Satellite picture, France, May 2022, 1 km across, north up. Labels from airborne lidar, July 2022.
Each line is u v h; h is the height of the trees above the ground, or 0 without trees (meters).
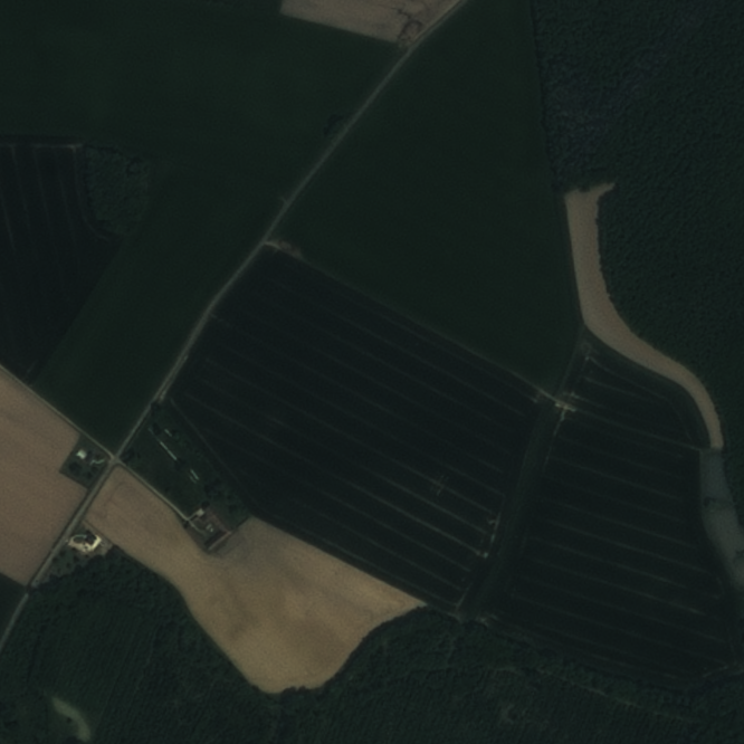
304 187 0
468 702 7
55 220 0
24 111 0
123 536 0
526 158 0
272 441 0
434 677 12
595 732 6
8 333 0
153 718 6
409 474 0
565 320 0
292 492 0
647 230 20
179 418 0
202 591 0
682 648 0
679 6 22
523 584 0
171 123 0
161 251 0
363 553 0
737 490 13
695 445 0
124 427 0
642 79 27
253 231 0
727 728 28
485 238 0
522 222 0
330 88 0
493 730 10
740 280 15
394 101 0
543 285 0
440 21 0
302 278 0
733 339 16
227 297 0
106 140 0
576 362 0
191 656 27
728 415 12
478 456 0
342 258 0
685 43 17
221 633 0
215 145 0
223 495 15
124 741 10
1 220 0
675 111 22
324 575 0
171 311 0
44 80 0
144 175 16
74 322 0
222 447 0
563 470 0
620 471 0
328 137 15
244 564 0
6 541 0
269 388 0
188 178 0
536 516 0
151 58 0
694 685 0
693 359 12
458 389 0
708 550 0
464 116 0
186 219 0
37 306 0
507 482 0
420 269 0
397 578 0
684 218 19
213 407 0
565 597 0
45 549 0
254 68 0
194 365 0
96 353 0
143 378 0
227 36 0
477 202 0
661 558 0
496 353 0
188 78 0
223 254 0
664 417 0
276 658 0
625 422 0
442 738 5
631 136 19
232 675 19
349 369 0
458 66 0
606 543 0
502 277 0
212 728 8
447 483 0
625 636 0
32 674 12
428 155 0
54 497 0
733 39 20
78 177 0
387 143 0
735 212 14
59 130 0
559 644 0
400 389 0
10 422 0
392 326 0
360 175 0
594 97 29
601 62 22
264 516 0
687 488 0
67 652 7
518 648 13
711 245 13
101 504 0
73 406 0
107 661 7
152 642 5
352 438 0
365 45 0
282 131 0
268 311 0
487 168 0
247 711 8
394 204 0
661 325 13
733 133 18
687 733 5
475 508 0
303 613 0
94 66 0
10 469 0
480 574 0
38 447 0
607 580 0
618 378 0
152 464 0
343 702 6
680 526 0
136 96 0
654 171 17
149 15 0
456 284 0
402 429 0
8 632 0
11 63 0
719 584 0
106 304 0
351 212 0
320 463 0
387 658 10
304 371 0
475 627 15
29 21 0
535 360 0
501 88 0
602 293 0
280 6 0
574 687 7
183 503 0
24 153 0
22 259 0
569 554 0
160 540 0
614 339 0
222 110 0
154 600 16
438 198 0
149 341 0
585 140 28
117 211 20
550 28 21
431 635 15
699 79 18
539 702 6
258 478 0
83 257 0
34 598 23
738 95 19
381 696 12
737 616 0
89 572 12
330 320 0
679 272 16
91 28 0
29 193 0
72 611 7
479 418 0
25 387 0
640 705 18
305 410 0
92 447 0
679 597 0
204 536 0
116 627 7
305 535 0
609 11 21
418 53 0
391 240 0
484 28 0
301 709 19
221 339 0
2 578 0
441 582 0
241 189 0
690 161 19
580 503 0
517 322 0
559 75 25
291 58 0
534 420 0
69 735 0
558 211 0
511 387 0
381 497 0
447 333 0
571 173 24
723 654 0
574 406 0
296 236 0
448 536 0
